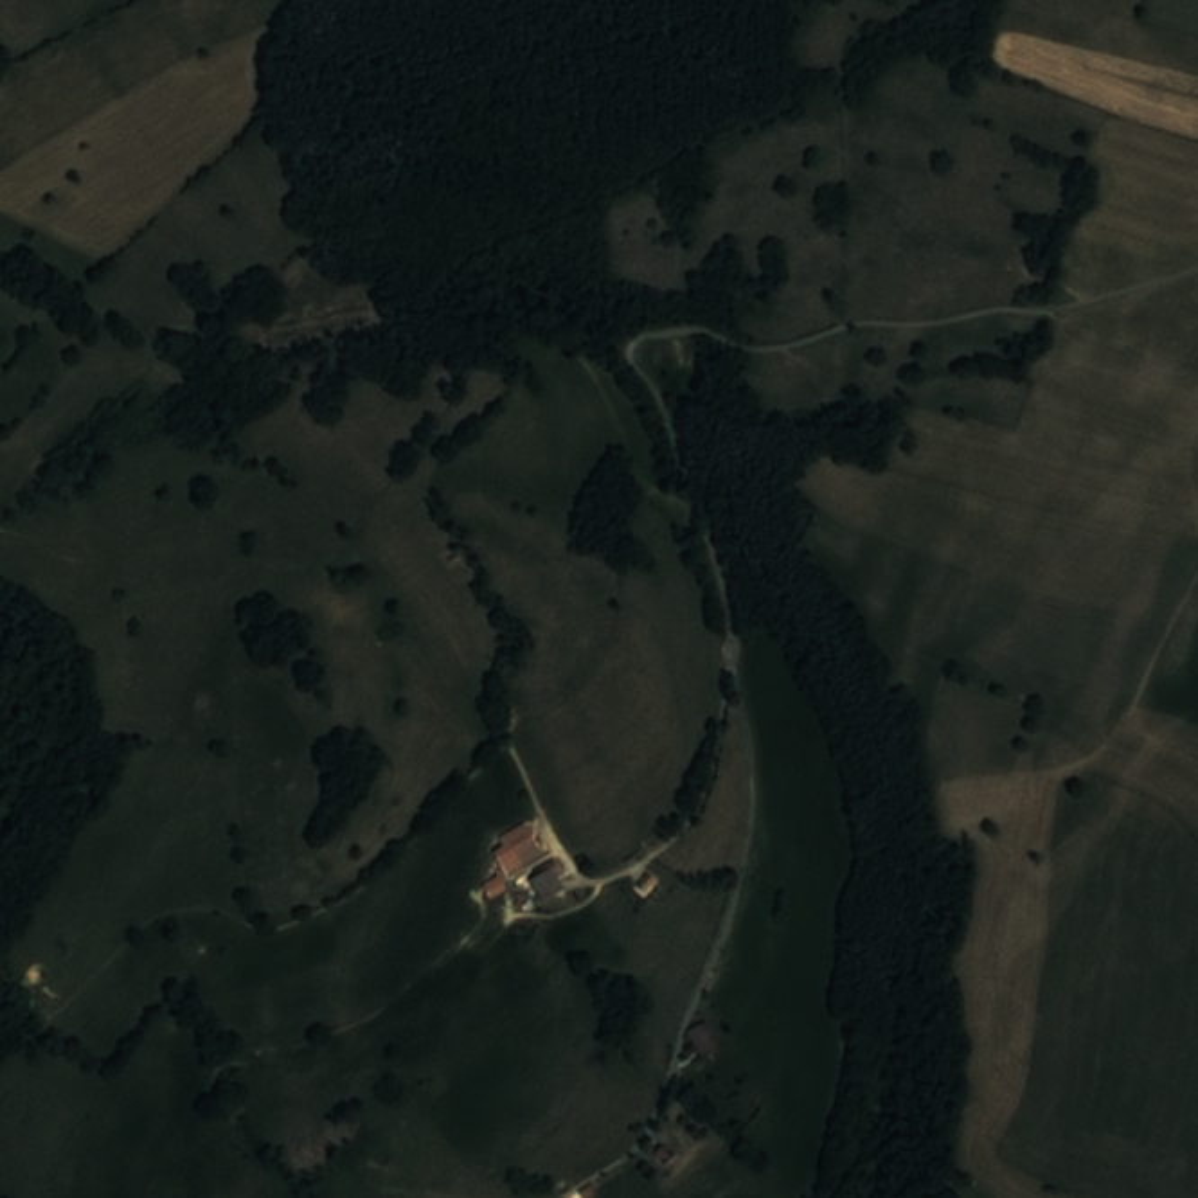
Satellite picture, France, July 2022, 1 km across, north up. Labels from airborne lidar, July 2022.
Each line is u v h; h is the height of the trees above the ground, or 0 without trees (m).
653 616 0
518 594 0
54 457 11
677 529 10
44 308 12
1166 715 0
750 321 0
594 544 14
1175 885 0
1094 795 0
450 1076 0
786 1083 0
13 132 0
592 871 18
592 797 0
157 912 0
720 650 0
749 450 24
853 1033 25
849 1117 24
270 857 0
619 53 21
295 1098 0
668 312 12
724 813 0
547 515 0
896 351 0
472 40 22
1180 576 0
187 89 0
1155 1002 0
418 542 0
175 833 0
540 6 18
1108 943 0
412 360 24
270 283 19
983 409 0
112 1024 0
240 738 0
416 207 11
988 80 18
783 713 0
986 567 0
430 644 0
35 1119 0
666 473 5
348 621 0
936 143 0
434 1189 0
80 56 0
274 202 0
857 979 28
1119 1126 0
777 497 22
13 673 27
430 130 18
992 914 0
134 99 0
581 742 0
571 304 33
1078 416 0
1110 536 0
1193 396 0
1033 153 15
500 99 14
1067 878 0
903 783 21
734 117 17
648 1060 0
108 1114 0
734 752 0
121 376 0
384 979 0
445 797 18
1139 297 0
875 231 0
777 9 22
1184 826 0
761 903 0
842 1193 19
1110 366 0
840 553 0
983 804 0
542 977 0
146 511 0
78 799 19
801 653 19
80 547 0
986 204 0
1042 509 0
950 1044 24
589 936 0
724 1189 0
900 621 0
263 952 0
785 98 15
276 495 0
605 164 16
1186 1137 0
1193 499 0
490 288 29
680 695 0
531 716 0
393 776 0
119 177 0
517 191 13
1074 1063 0
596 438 0
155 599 0
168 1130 0
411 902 0
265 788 0
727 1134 9
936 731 0
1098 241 0
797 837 0
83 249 0
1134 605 0
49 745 29
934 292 0
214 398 19
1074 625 0
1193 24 0
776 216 0
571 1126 0
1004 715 0
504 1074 0
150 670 0
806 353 0
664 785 0
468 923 0
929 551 0
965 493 0
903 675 0
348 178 14
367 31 23
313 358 20
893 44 16
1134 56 0
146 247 0
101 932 0
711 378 18
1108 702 0
